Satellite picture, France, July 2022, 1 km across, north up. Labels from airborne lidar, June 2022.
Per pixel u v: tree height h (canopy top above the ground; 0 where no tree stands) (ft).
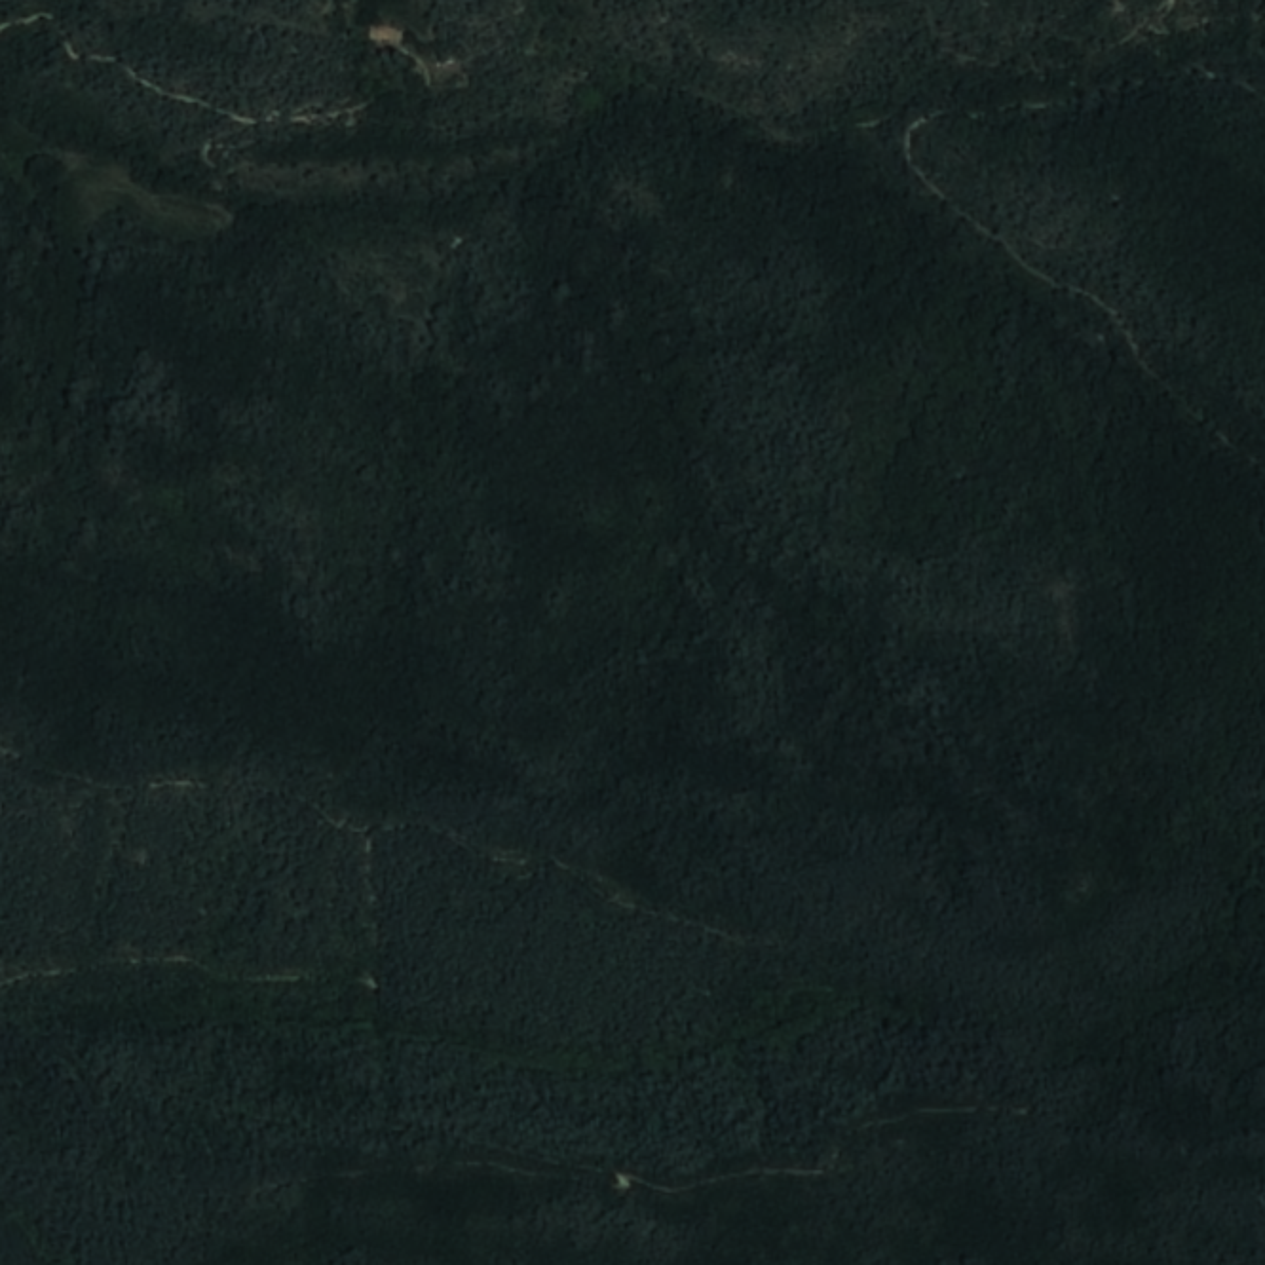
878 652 26
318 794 19
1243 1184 25
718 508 19
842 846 38
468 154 47
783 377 36
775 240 23
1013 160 20
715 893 39
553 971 43
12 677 27
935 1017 29
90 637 39
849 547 38
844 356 19
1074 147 29
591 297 41
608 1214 48
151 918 45
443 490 21
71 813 27
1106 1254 23
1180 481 49
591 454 24
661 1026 56
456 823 27
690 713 32
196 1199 50
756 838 19
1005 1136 45
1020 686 22
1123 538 50
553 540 26
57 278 21
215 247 29
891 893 28
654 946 42
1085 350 48
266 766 30
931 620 28
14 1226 35
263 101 29
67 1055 47
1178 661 37
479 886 44
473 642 19
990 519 41
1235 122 21
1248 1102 38
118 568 31
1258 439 19
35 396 24
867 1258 26
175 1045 42
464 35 32
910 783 18
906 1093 20
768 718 34
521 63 58
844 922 39
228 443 32
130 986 34
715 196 36
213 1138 35
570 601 26
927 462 36
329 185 20
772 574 27
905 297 45
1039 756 19
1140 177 31
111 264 50
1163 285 25
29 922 54
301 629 38
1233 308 33
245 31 37
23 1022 27
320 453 30
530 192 34
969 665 26
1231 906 49
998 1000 38
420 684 33
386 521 20
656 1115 34
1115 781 34
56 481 18
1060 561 19
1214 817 51
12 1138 45
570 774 34
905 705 24
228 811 37
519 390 23
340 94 32
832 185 36
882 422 34
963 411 45
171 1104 46
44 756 39
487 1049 39
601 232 19
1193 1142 26
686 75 35
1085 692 21
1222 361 30
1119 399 49
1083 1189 31
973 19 28
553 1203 42
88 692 39
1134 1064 32
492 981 49
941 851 44
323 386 20
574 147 28
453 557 34
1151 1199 26
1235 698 45
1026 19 42
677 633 36
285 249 23
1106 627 36
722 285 26
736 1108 47
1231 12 21
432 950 54
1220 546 42
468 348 30
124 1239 53
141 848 35
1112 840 18
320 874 53
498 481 27
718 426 36
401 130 23
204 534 18
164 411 49
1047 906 20
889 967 35
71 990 22
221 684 26
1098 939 36
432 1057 52
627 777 32
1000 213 48
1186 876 40
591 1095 60
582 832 35
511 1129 52
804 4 36
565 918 37
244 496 37
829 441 38
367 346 18
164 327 25
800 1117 45
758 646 50
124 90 30
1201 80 32
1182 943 49
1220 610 37
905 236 31
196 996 42
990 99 35
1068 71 25
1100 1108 39
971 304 28
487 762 31
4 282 21
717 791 24
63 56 18
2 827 30
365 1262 41
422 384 40
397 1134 25
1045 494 41
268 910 59
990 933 31
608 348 28
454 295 43
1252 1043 45
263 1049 54
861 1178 29
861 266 45
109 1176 48
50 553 39
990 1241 18
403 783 29
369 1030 33
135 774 29
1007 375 45
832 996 30
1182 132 48
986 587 42
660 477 40
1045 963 23
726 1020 43
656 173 37
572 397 21
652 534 31
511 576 25
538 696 25
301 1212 38
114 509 24
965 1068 66
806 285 29
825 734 31
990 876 35
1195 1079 51
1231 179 27
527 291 41
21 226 26
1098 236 20
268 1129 38
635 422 21
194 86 28
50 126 30
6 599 20
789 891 44
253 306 19
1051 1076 48
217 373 40
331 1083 35
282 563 34
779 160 37
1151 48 27
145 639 32
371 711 37
